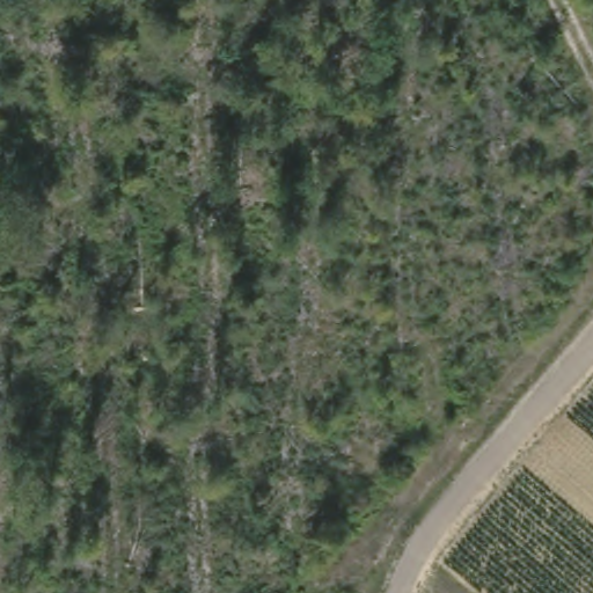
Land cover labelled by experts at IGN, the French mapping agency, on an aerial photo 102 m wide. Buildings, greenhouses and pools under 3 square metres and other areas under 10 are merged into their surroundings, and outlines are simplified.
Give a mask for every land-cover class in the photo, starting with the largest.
<instances>
[{"label":"deciduous trees","instance_id":"1","mask_svg":"<svg viewBox=\"0 0 593 593\"><path fill-rule=\"evenodd\" d=\"M593 250V93L588 90L581 69L577 67V60L572 58L563 39V30L547 0H0V593H350L336 579L334 572L338 570L345 551L361 540V535H366L371 524L380 519L382 505L389 503L396 493H401L403 482L412 475L415 461L405 456L408 449L442 442L456 417H470L479 410L484 396L498 382L503 368L510 361H517L526 350H530L528 343L547 329H551L558 315L570 308L572 290H577L579 280L586 276L584 259ZM572 7L593 44V0H572Z\"/></svg>","mask_w":593,"mask_h":593},{"label":"vineyard","instance_id":"2","mask_svg":"<svg viewBox=\"0 0 593 593\"><path fill-rule=\"evenodd\" d=\"M586 387L591 389L588 398H581L574 408L568 405L561 412H556L533 433V442L526 449H519L517 461L510 463V473L514 475L512 482L505 486V491L500 486H493L489 498L477 507L479 519L459 540V544L449 551L445 561L456 572H461L473 586L482 584L486 593H593V375L586 382Z\"/></svg>","mask_w":593,"mask_h":593},{"label":"herbaceous vegetation","instance_id":"3","mask_svg":"<svg viewBox=\"0 0 593 593\"><path fill-rule=\"evenodd\" d=\"M586 276L579 280L577 290H572L570 308L558 315L551 329H547L528 343L530 350H526L517 361H510L503 368L498 382L484 396L479 410L470 417H456L442 442L408 449L405 456L415 461L412 475L403 482L401 493H396L389 503L382 505L380 519L371 524L366 535H361V540L345 551L338 570L334 572L336 579L350 593H389L387 574L394 572V563L403 556L415 528L452 486L463 466L473 459V454L491 438L496 426L510 415L519 398L540 380V375L554 364V359L572 343L581 327L593 317V250L584 259ZM422 593H486L482 584L473 586L461 572H456L445 561L433 565L426 588Z\"/></svg>","mask_w":593,"mask_h":593},{"label":"impervious surface","instance_id":"4","mask_svg":"<svg viewBox=\"0 0 593 593\"><path fill-rule=\"evenodd\" d=\"M593 375V317L581 327L572 343L554 359V364L540 375V380L519 398L510 415L496 426L491 438L473 454V459L463 466L452 486L415 528L403 556L394 563V572L387 574L389 593H422L426 588L433 565L445 561L449 551L459 544V540L479 519L477 507L489 498L493 486H500L505 491V486L512 482L514 475L510 473V463L517 461L519 449H526L533 442V433L556 412H561L568 405L574 408L581 398H588L591 389L586 387V382Z\"/></svg>","mask_w":593,"mask_h":593},{"label":"pervious surface","instance_id":"5","mask_svg":"<svg viewBox=\"0 0 593 593\"><path fill-rule=\"evenodd\" d=\"M563 30V39L572 58L577 60V67L581 69L588 90L593 93V44L572 7V0H547Z\"/></svg>","mask_w":593,"mask_h":593}]
</instances>
